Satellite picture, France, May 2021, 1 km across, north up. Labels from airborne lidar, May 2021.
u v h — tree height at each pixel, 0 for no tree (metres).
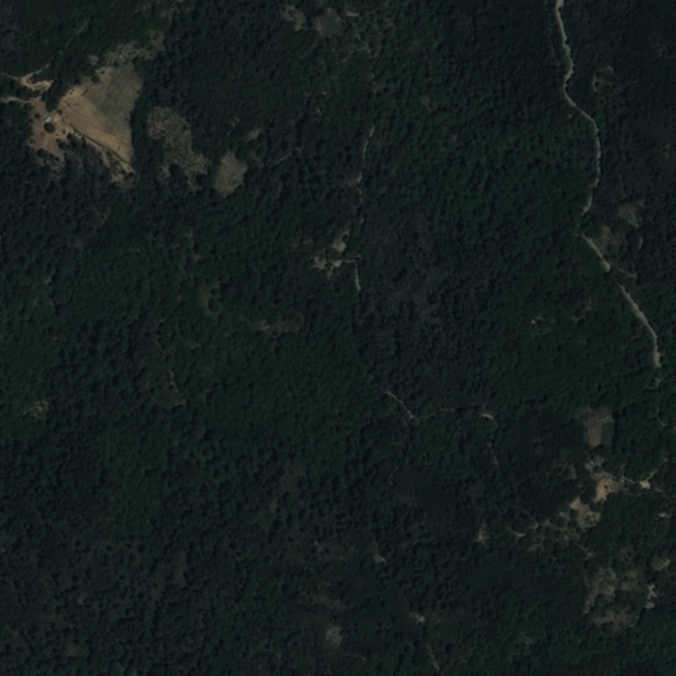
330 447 22
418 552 21
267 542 20
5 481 24
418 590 19
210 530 15
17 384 17
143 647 23
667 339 18
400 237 7
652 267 11
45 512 21
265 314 14
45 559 26
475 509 18
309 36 14
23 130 13
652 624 16
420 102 21
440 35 9
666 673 11
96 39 15
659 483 11
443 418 15
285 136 10
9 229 22
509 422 15
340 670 9
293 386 19
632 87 13
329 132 8
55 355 21
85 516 22
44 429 21
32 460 29
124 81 0
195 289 20
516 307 20
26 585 24
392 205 7
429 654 19
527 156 21
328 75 15
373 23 13
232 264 20
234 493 28
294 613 8
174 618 21
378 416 14
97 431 25
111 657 15
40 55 8
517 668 11
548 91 11
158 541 25
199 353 18
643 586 7
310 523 9
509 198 21
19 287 30
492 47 9
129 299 19
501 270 20
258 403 18
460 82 19
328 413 17
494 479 20
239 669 8
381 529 16
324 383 19
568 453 14
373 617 10
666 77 6
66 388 30
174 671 22
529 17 9
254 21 7
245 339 15
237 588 10
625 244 12
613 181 9
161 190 26
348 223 11
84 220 30
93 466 25
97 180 23
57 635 21
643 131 8
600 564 11
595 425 0
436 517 5
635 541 11
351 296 14
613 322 10
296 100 10
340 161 9
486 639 12
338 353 16
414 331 26
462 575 10
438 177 23
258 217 18
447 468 14
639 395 16
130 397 26
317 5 27
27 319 18
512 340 12
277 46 10
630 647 15
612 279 14
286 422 19
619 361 14
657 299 13
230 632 14
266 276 19
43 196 27
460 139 7
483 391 20
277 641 15
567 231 21
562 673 6
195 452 23
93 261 14
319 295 13
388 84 13
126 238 12
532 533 11
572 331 14
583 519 0
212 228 16
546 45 11
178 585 20
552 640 21
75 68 9
